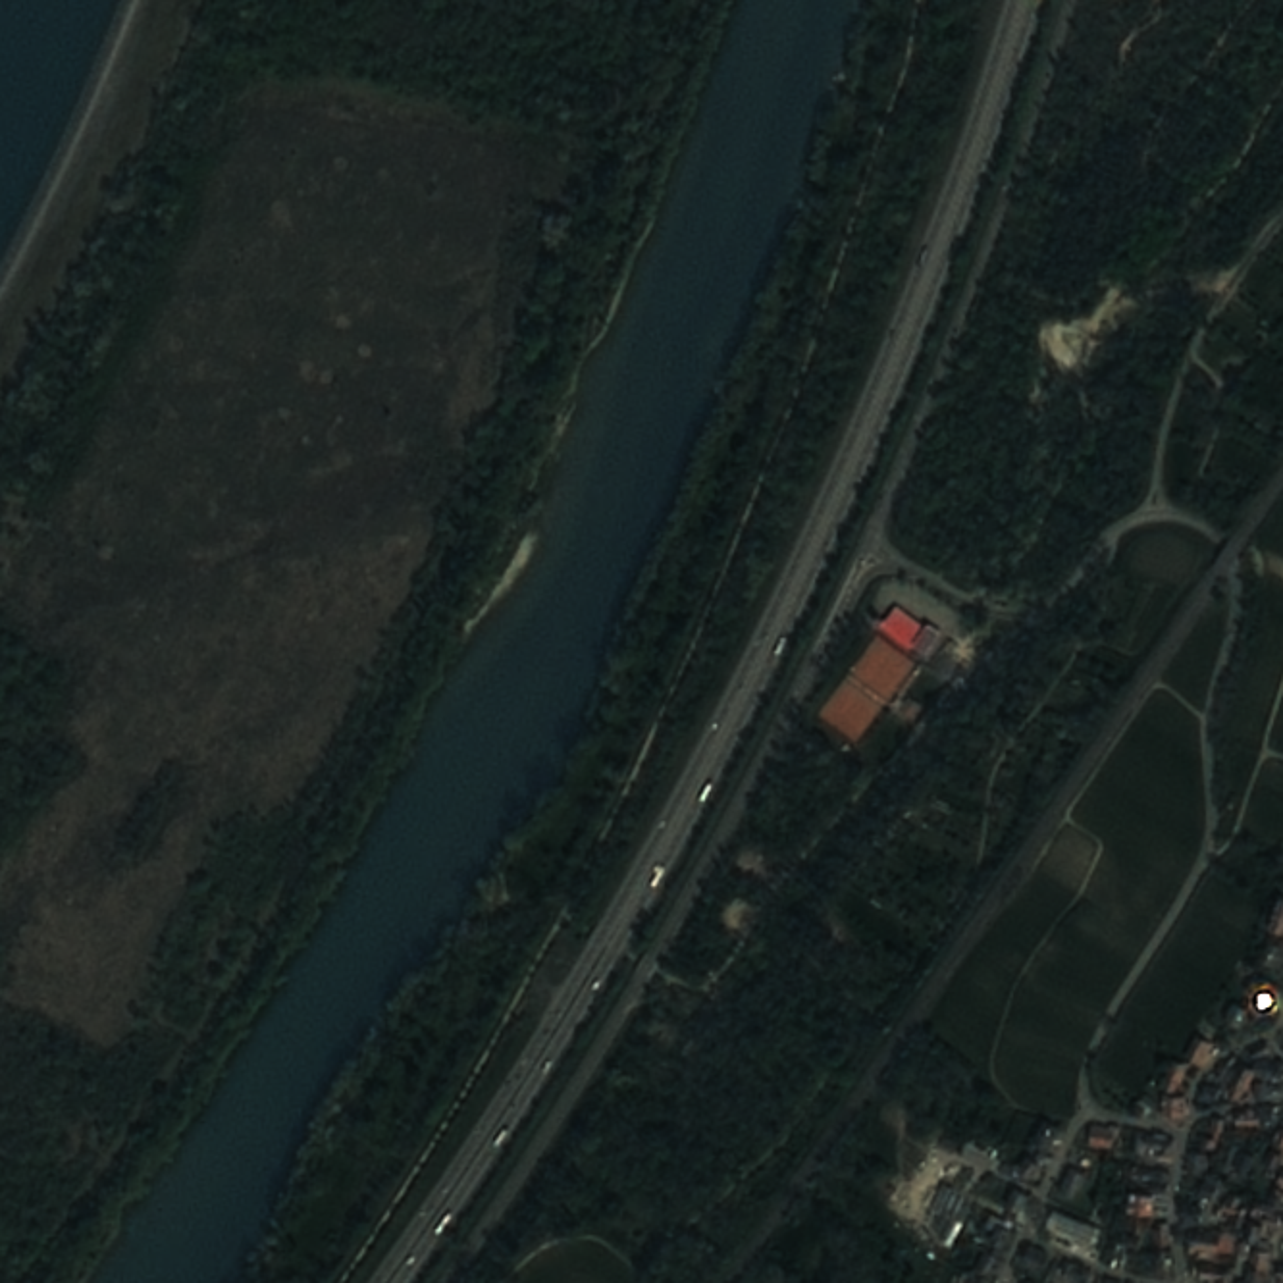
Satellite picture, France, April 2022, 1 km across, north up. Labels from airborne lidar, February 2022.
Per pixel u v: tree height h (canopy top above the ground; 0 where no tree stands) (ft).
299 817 32
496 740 0
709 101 0
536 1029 0
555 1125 0
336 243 0
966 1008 0
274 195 0
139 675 0
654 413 0
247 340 0
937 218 0
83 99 0
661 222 0
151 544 0
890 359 0
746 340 62
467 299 0
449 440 0
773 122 0
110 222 23
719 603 49
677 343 0
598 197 66
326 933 0
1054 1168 0
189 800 0
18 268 0
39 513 0
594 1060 0
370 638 0
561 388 97
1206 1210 0
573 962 0
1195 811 0
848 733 0
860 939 0
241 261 0
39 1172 33
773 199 0
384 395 0
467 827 0
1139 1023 0
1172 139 55
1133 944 0
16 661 51
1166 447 0
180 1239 0
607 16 45
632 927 0
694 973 70
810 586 0
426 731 0
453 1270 0
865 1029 76
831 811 78
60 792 0
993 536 92
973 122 0
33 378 64
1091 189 74
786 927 100
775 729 0
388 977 0
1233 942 0
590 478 0
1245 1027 0
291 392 0
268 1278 88
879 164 38
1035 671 60
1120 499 65
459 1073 48
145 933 0
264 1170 0
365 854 0
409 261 0
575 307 77
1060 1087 0
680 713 22
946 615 0
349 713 23
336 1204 0
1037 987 0
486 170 0
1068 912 0
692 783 0
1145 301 114
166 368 0
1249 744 0
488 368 0
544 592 0
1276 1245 0
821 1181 46
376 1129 69
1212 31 43
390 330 0
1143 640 0
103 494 0
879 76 63
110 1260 0
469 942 62
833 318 52
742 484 55
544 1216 88
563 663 0
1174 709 0
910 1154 0
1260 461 0
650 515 0
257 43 65
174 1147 58
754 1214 0
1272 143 36
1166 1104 0
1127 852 0
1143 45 31
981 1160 0
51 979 0
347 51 36
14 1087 36
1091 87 50
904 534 49
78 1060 35
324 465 0
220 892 35
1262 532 0
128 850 28
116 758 0
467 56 33
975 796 0
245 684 0
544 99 69
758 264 0
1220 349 0
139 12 0
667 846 0
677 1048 0
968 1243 24
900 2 47
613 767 61
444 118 0
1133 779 0
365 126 0
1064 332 0
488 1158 0
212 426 0
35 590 0
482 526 66
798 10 0
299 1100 0
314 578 0
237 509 0
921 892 0
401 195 0
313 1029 0
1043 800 49
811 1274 0
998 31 0
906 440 0
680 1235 59
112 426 0
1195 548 0
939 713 76
